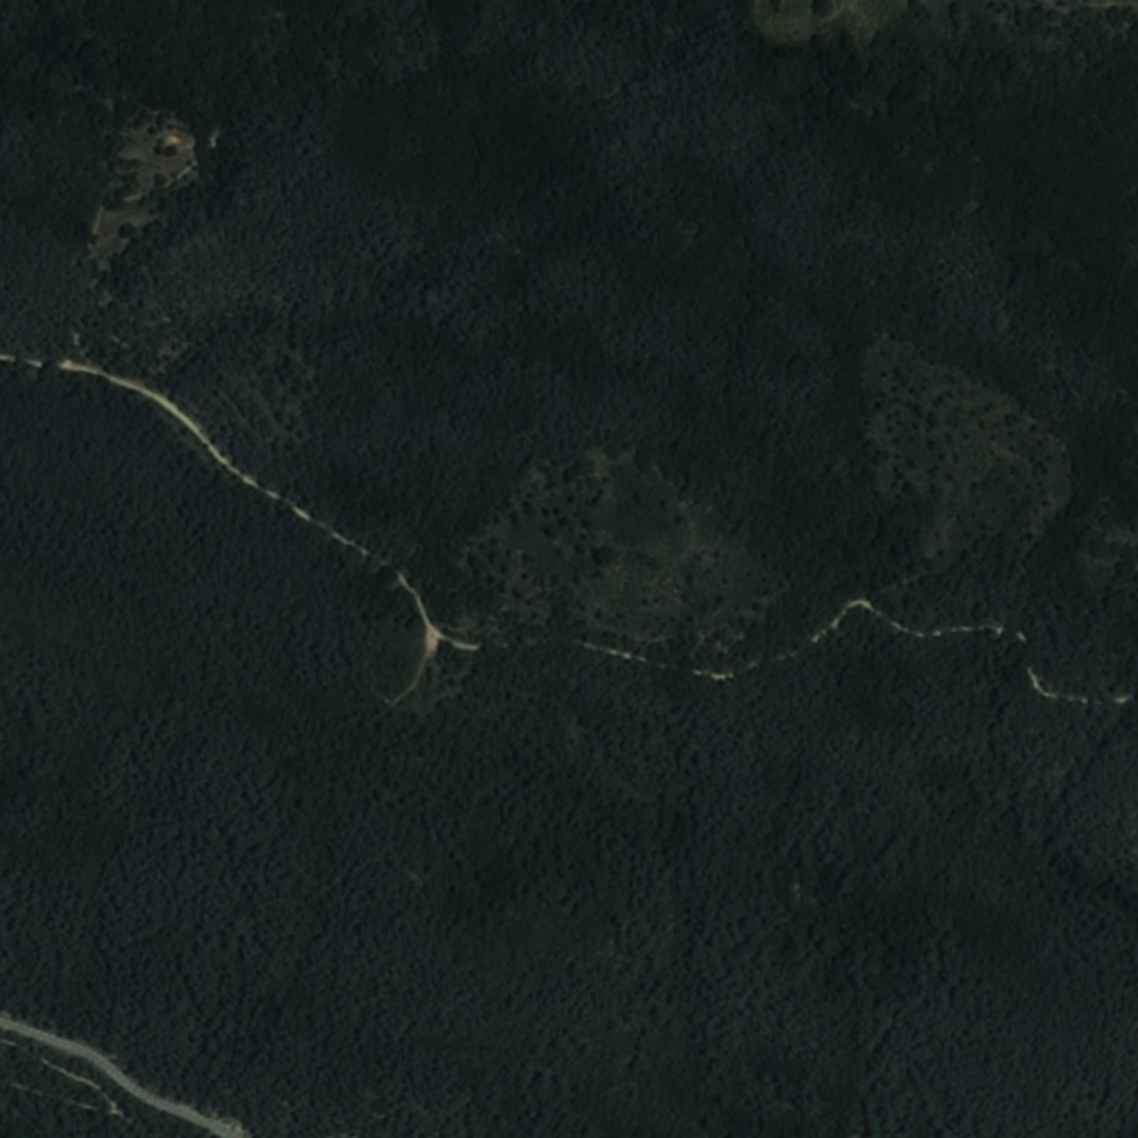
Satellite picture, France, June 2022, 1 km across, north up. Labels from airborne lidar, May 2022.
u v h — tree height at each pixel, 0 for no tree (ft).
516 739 43
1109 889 66
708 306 49
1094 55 43
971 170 50
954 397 44
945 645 52
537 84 31
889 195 38
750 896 52
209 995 79
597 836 50
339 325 37
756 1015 66
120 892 57
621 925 62
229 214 38
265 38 34
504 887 22
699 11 31
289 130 29
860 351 56
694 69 55
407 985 40
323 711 45
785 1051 32
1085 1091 81
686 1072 32
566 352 43
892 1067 66
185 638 37
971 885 48
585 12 43
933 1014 49
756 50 28
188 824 76
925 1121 38
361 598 36
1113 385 35
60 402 52
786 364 34
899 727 40
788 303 44
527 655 56
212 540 37
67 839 37
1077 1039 61
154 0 33
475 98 50
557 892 56
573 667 65
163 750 28
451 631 33
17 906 43
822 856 48
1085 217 44
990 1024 46
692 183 36
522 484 43
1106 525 41
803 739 34
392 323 48
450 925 30
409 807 54
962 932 44
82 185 38
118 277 38
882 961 21
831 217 44
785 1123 59
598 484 49
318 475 41
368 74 40
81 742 28
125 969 57
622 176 28
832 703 62
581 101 30
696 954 89
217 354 49
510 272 41
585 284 44
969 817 37
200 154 38
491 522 46
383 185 38
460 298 68
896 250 52
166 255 44
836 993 33
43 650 42
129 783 77
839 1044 35
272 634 40
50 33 42
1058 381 26
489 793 57
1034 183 47
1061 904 35
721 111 47
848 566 45
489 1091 52
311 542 50
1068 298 35
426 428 57
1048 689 54
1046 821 30
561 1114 59
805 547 39
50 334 45
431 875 61
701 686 55
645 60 28
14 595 27
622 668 54
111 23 37
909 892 27
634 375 36
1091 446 43
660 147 40
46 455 39
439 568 38
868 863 26
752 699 66
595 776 23
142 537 30
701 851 50
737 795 50
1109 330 38
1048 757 50
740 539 48
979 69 44
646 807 45
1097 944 68
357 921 55
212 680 43
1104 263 41
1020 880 43
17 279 51
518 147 47
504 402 52
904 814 47
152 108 37
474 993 55
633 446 47
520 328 41
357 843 60
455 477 42
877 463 49
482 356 46
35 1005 24
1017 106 51
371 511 41
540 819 20
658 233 53
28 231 35
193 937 42
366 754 30
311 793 17
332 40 37
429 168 37
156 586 31
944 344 32
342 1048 53
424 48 33
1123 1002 33
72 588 50
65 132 45
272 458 43
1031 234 48
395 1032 53
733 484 44
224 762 61
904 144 39
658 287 40
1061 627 54
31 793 48
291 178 36
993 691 35
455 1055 42
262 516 26
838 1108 45
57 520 58
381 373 58
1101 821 56
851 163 41
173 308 36
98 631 23
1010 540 41
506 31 39
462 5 51
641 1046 52
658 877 70
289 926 61
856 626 69
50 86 31
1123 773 61
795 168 40
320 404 39
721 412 53
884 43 20
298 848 70
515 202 38
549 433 58
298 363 44
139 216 0
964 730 53
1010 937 37
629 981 72
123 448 28
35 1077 62
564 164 42
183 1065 64
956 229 45
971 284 51
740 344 41
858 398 56
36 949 61
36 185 37
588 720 48
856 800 47
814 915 43
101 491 51
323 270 51
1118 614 40
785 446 52
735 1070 44
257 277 42
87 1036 60
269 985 60
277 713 42
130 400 55
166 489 32
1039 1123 44
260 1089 47
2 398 35
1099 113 37
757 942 60
